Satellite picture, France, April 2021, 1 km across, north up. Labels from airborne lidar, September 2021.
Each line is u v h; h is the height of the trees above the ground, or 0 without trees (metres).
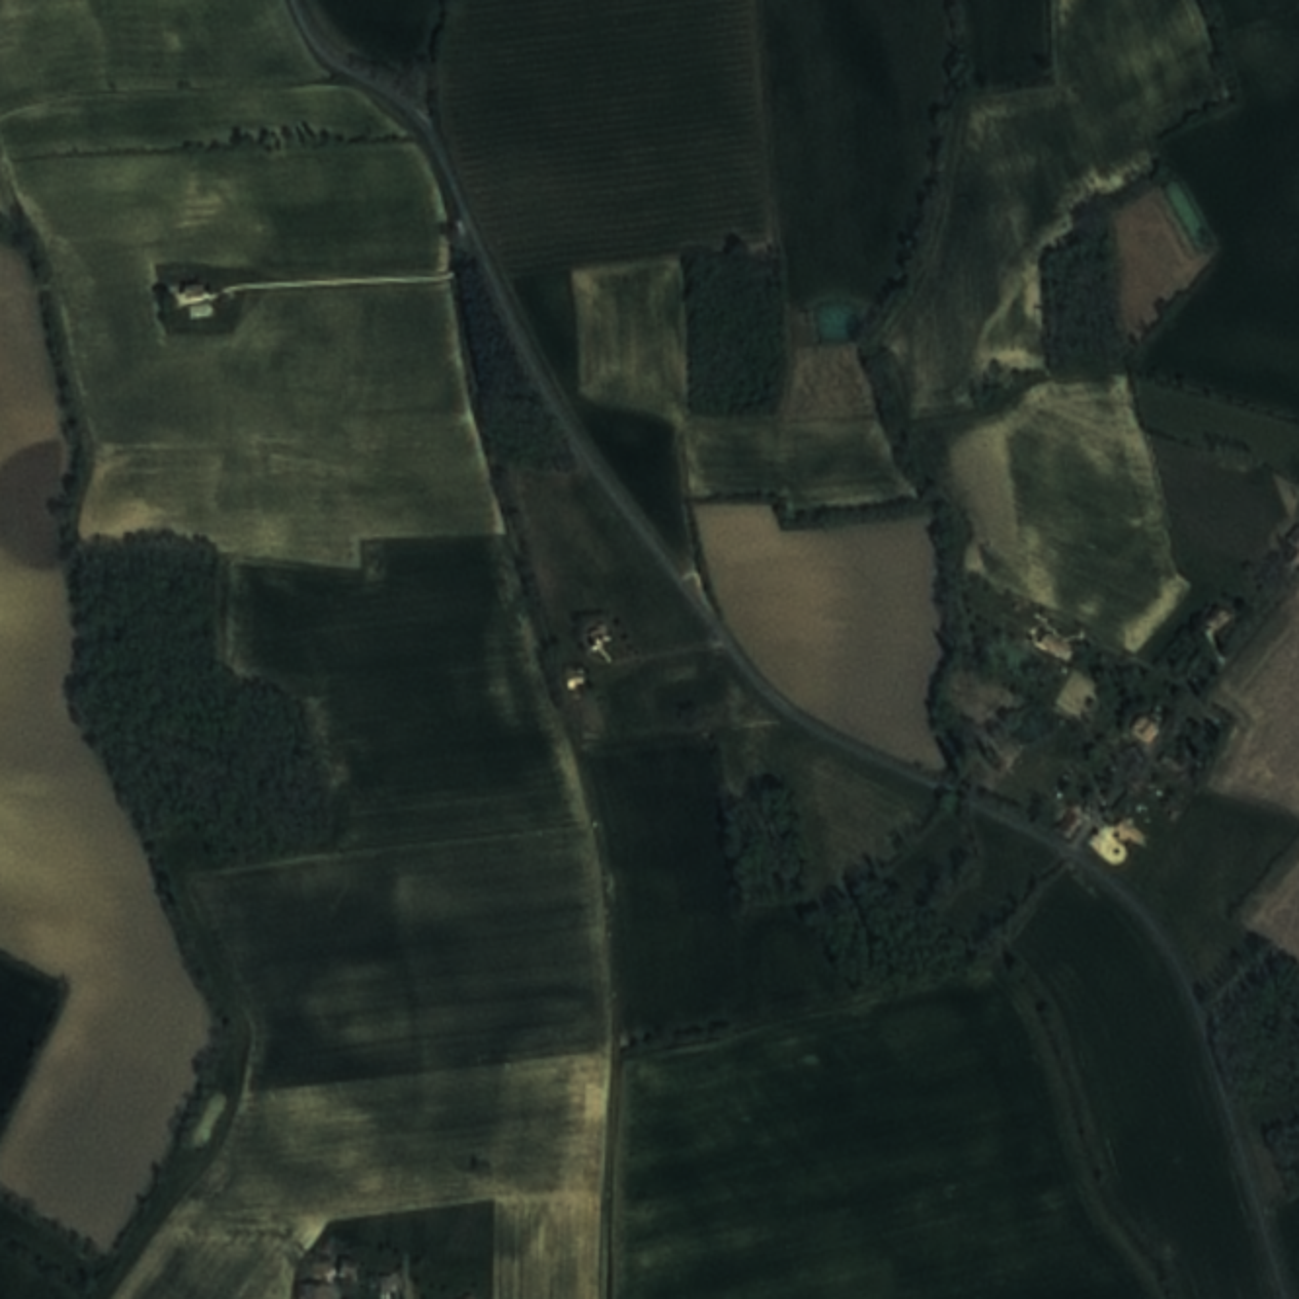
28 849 0
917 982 20
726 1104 0
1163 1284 8
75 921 0
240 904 0
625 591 0
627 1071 0
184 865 0
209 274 0
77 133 0
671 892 0
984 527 0
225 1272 0
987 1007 0
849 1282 0
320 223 0
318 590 0
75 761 0
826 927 25
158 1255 0
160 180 0
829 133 0
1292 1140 10
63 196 0
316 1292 0
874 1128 0
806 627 0
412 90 16
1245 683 0
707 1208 0
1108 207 14
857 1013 0
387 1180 0
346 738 0
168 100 0
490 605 0
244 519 0
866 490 0
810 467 0
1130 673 12
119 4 0
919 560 0
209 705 27
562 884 0
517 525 16
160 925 0
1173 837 0
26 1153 0
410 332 0
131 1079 0
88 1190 0
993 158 0
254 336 0
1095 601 0
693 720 16
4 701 0
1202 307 0
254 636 0
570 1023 0
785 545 0
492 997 0
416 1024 0
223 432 0
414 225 0
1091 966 0
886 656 0
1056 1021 13
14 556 0
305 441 0
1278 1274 0
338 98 0
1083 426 0
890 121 0
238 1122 0
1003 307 0
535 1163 0
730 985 0
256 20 0
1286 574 22
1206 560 0
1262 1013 27
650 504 0
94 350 0
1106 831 0
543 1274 0
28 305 0
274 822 23
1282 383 0
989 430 0
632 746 0
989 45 0
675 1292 0
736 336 9
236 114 0
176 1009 0
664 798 0
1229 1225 0
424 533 0
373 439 0
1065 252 12
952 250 0
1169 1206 0
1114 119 0
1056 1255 0
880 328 13
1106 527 0
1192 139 0
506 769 0
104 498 0
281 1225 0
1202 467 0
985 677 20
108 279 0
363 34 0
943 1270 0
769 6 0
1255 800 0
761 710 0
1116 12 0
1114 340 19
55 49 0
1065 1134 0
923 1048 0
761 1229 0
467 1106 0
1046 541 0
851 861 0
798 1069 0
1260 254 0
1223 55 10
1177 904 0
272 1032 0
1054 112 0
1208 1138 0
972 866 19
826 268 0
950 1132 0
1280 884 0
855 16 0
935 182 9
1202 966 0
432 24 0
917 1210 0
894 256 0
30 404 0
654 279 0
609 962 0
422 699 0
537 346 0
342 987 0
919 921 24
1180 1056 0
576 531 0
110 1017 0
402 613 0
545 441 13
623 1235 0
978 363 0
